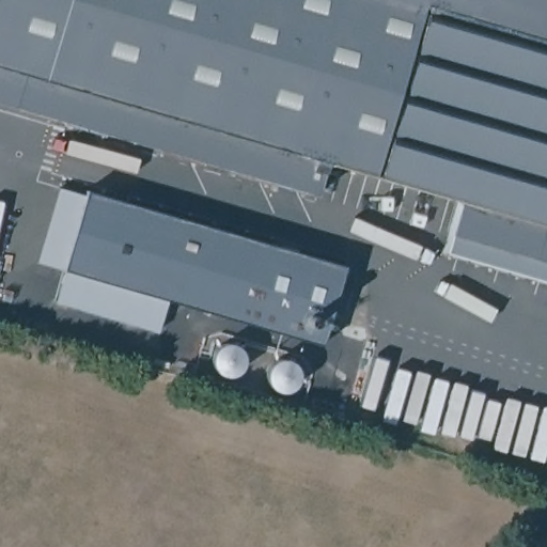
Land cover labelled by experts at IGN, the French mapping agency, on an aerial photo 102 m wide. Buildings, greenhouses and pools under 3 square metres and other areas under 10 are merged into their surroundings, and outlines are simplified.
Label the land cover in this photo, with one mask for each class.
<instances>
[{"label":"building","instance_id":"1","mask_svg":"<svg viewBox=\"0 0 547 547\"><path fill-rule=\"evenodd\" d=\"M0 120L11 124L51 122L58 126L62 122H68L73 130L92 132L105 139H122L135 145L150 147L152 154L162 160L220 162L233 175L246 182H265L276 186L278 190H297L303 194L316 188V182L329 177L331 169H344L346 173L350 169L365 171L374 179L385 177L387 182H397L402 186H412L423 192H432L455 209L449 226V237L444 244V254L449 259L547 286V0H0ZM41 265L60 271L58 308L79 310L98 318L120 323L128 329L160 333L169 306L175 301H186L205 310L235 314L237 318H244L248 325L299 335L321 346L329 340L333 323L338 321V312L344 306L340 295L344 293L348 267L314 259L295 250L263 244L250 237H241L235 233H226L220 229H212L199 222L182 220L154 209H145L139 205H130L118 199L92 192L79 194L73 190H62L58 194L45 246L41 252ZM216 370L224 378H239L248 370V353L239 346H226L224 353H220L216 359ZM256 359L269 374L271 387L284 395L297 393L306 378L303 370L293 361H282L280 348H267Z\"/></svg>","mask_w":547,"mask_h":547},{"label":"impervious surface","instance_id":"2","mask_svg":"<svg viewBox=\"0 0 547 547\"><path fill-rule=\"evenodd\" d=\"M62 190H73L79 194L92 192L118 199L130 205H139L145 209H154L182 220L199 222L212 229H220L226 233H235L241 237H250L263 244L295 250L314 259L348 267L344 293L340 295L344 306L338 312V321L333 323L329 340L321 346L299 335L248 325L244 318H237L235 314L205 310L186 301H175L169 306L160 333L128 329L120 323L98 318L79 310L58 308L60 271L41 265V252L45 246L58 194ZM455 209L432 192H423L412 186H402L397 182H387L385 177L374 179L365 171L350 169L346 173L344 169H331L329 177L316 182V188L303 194L297 190H278L276 186L265 182H246L233 175L220 162L162 160L152 154L150 147L135 145L122 139H105L92 132L73 130L68 122H62L58 126L51 122L11 124L0 120V321L30 329L32 335H53L68 342H85L88 346L103 348L105 355H124L130 361L143 357L145 361H150L152 368L160 374L165 372L175 376L182 374L186 378H201L220 393H239V397L269 400L276 404V408H288L295 412L310 410L312 417H329L331 423H335L340 429H350L355 423L376 427L378 432L389 436L393 447L400 451H408L415 444L417 436L423 432L429 434L434 442H440L457 451L466 449L468 455H472L479 462L498 464L504 468L532 474L538 485H547V286L449 259L444 254V244L449 237V226ZM226 346H239L248 353V370L239 378H224L216 370V359L220 353H224ZM267 348H280L282 361H293L303 370L306 378L297 393L284 395L271 387L269 374L256 359Z\"/></svg>","mask_w":547,"mask_h":547},{"label":"herbaceous vegetation","instance_id":"3","mask_svg":"<svg viewBox=\"0 0 547 547\"><path fill-rule=\"evenodd\" d=\"M152 380L143 387V391L139 395H128L118 389H111L105 380H98L94 374L77 372L75 359L64 355V350H56L49 357V361H41L38 346L34 342L19 346L15 355L0 350V547H485L500 534L502 526H506L509 521L530 526V530L521 536L526 541V547H547V506L528 511L523 504H515L509 498H500L485 491L481 485H470L464 472L449 462L427 459L421 455H417L415 459H406L404 455H400L393 468H382L372 464L363 455L338 453L333 449H318L310 442H299L293 434H282L278 429L265 427L259 421L233 423L220 419L218 415L199 412L192 408H175L167 397V387L175 380V376L165 372L160 374L152 368Z\"/></svg>","mask_w":547,"mask_h":547},{"label":"deciduous trees","instance_id":"4","mask_svg":"<svg viewBox=\"0 0 547 547\"><path fill-rule=\"evenodd\" d=\"M34 342L38 346L41 361H49V357L56 350H64V355L75 359L77 372L94 374L98 380H105L111 389H118L128 395H139L143 391V387L152 380V368L150 361H145L143 357L130 361L124 355H105L103 348L88 346L85 342H68L53 335H32L30 329L0 321V350L15 355L19 346ZM167 397L175 408H192L199 412L218 415L220 419L233 423L259 421L265 427L278 429L282 434H293L299 442H310L318 449H333L338 453L363 455L372 464L382 468H393L400 455H404L406 459H415L417 455H421L427 459L449 462L464 472L470 485H481L485 491L500 498H509L515 504H523L528 511L547 506V485H538L532 474L504 468L498 464L479 462L472 455H468L466 449L457 451L440 442H434L429 434L423 432L417 436L415 444L408 451H400L393 447L389 436L378 432L376 427L355 423L350 429H340L335 423H331L329 417H312L310 410L295 412L288 408H276V404L269 400L239 397V393H220L201 378H186L182 374L175 376V380L167 387ZM530 530V526L509 521L506 526H502L500 534L485 547H526V541L521 536Z\"/></svg>","mask_w":547,"mask_h":547}]
</instances>
